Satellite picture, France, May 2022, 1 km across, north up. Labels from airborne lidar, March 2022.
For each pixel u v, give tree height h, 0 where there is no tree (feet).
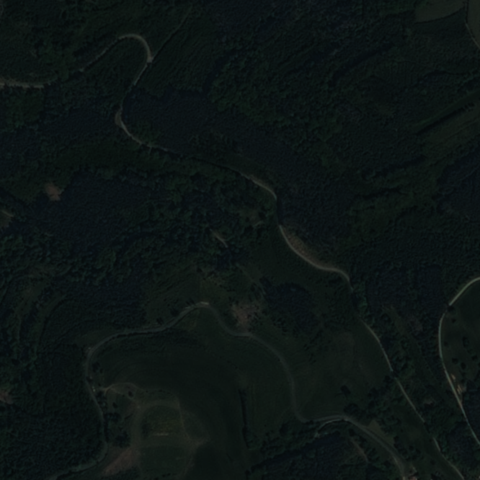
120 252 97
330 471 96
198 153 41
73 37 22
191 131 92
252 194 98
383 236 39
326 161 88
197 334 0
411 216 52
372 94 40
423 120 38
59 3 24
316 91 54
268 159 90
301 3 84
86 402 37
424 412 56
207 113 95
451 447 83
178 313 73
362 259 31
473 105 38
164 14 26
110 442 53
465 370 53
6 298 56
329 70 49
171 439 0
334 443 86
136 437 0
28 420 86
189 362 0
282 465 85
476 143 18
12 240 93
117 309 78
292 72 44
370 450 65
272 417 0
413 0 81
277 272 0
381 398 80
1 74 24
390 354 93
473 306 0
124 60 24
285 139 83
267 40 103
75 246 103
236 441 0
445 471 0
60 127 84
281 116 85
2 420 28
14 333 113
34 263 94
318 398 0
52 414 45
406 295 89
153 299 0
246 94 74
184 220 91
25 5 22
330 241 68
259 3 111
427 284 86
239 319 27
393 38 21
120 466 0
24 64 20
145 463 0
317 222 73
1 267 105
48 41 76
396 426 37
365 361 0
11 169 95
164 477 19
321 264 0
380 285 73
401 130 25
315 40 44
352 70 85
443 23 19
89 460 68
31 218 121
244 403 50
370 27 49
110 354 0
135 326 31
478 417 94
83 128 76
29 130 115
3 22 19
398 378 71
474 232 21
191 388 0
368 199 87
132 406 0
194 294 0
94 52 64
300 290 94
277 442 26
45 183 32
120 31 22
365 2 93
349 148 23
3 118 109
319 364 0
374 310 86
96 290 94
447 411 27
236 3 108
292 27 21
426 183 112
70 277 89
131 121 83
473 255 27
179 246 101
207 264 79
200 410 0
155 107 88
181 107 94
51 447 24
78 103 70
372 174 87
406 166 96
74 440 42
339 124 84
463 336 0
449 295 27
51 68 92
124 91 39
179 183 94
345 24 107
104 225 125
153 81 0
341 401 0
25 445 37
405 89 41
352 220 72
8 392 113
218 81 75
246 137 93
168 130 95
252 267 0
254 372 0
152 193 107
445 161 20
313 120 85
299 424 20
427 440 0
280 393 0
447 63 22
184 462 0
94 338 0
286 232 0
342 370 0
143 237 121
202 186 104
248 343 0
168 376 0
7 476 69
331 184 69
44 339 20
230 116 88
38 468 35
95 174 96
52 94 79
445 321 0
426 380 18
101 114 79
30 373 85
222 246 46
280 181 26
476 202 84
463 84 42
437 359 70
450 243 24
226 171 73
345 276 0
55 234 93
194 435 0
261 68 81
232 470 0
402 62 19
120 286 93
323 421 0
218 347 0
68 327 17
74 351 46
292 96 46
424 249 32
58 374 57
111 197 112
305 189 81
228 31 99
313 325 102
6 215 0
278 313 88
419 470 0
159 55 19
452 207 79
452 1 0
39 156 97
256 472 54
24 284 49
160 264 103
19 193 0
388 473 82
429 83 54
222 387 0
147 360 0
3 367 112
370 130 34
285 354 0
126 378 0
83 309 23
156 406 0
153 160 85
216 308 0
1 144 110
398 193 109
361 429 0
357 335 0
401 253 38
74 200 111
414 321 93
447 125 21
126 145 63
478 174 98
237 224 94
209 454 0
